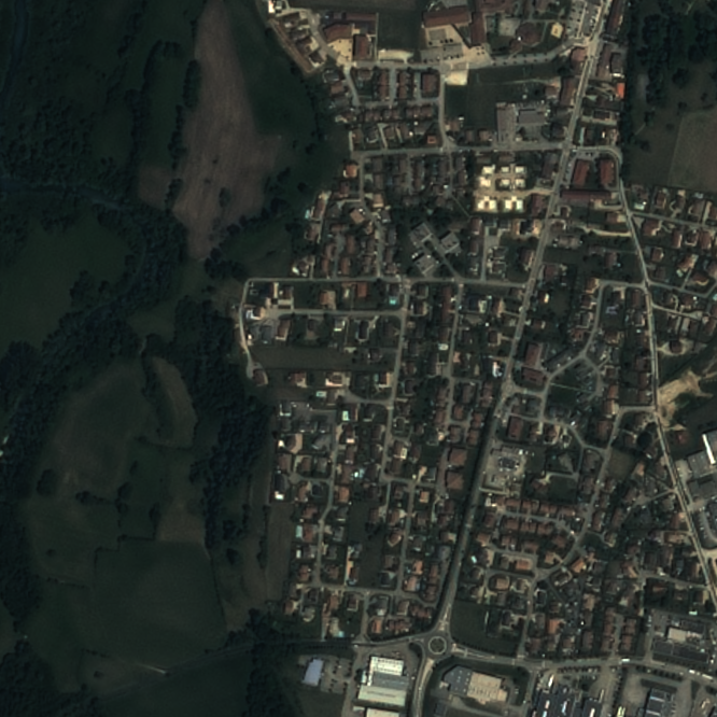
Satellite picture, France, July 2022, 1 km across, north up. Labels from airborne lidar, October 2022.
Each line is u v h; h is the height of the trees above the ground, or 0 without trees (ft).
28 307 0
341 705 0
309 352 0
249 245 0
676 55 106
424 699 0
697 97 0
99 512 0
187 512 0
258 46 0
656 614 0
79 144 42
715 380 0
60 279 0
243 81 0
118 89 45
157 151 0
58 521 0
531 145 0
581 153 0
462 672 0
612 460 0
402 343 0
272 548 0
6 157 54
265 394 0
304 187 46
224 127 0
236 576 0
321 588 0
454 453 0
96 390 0
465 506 19
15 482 64
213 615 0
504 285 0
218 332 65
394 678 0
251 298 0
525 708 0
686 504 0
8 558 65
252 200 0
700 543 0
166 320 0
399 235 35
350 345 0
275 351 0
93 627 0
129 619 0
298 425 0
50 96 20
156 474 0
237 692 0
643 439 48
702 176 0
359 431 21
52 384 33
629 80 21
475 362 0
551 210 0
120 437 0
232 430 66
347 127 27
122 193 25
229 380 61
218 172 0
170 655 0
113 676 0
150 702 0
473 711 0
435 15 0
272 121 0
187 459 0
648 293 0
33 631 0
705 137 0
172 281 79
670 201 0
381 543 0
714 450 0
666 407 0
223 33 0
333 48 0
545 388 0
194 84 65
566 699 0
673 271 0
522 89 0
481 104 0
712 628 0
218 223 52
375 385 0
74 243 0
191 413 0
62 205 36
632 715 0
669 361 0
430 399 32
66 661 0
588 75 0
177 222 26
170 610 0
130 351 47
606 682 0
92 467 0
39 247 0
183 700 0
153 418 0
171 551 0
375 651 0
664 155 0
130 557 0
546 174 0
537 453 0
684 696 0
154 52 28
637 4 65
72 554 0
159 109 0
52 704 26
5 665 28
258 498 0
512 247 0
